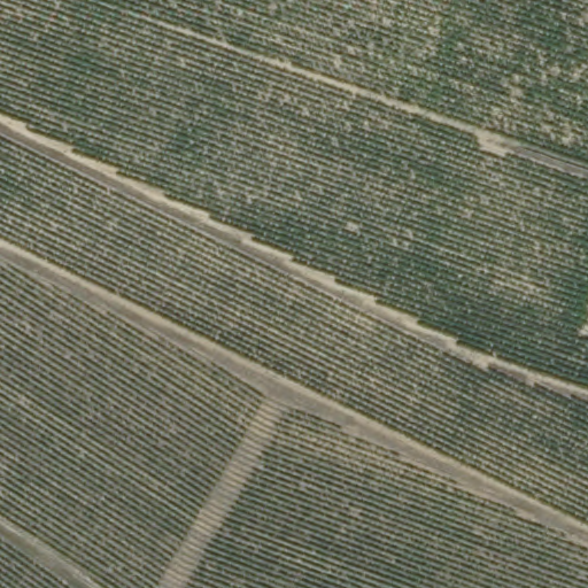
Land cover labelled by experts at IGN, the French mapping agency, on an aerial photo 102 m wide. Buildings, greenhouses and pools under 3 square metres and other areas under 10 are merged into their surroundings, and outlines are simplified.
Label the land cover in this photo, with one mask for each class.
<instances>
[{"label":"vineyard","instance_id":"1","mask_svg":"<svg viewBox=\"0 0 588 588\"><path fill-rule=\"evenodd\" d=\"M0 588H588V0H0Z\"/></svg>","mask_w":588,"mask_h":588}]
</instances>
